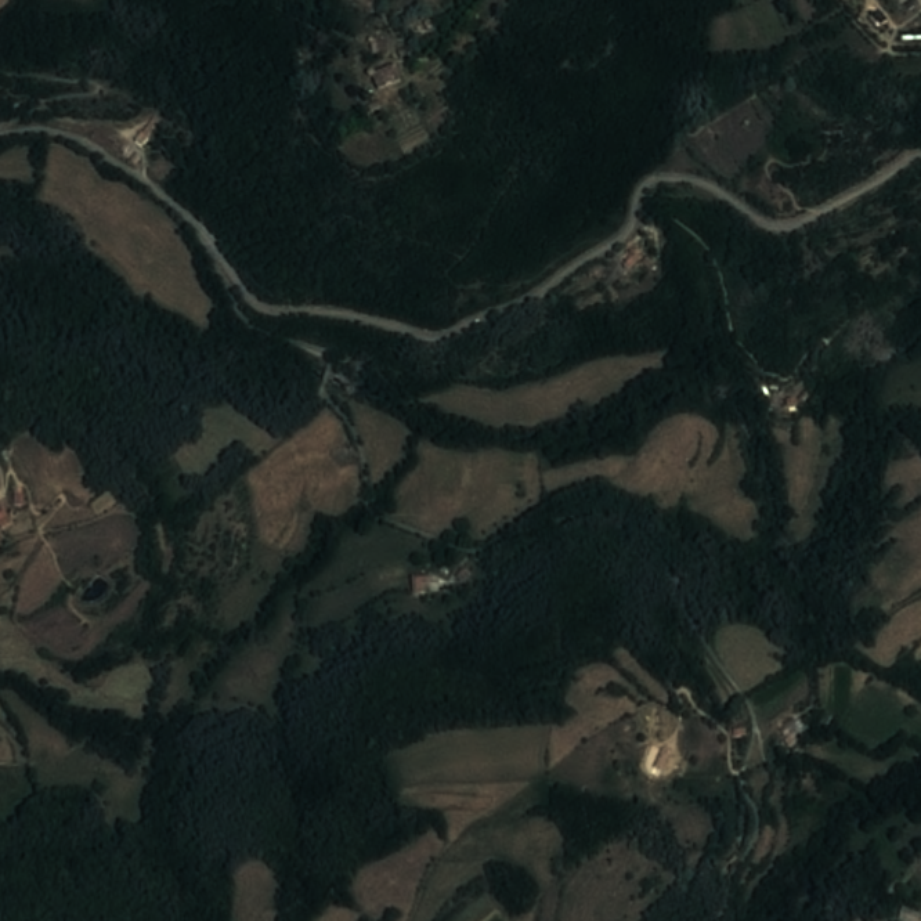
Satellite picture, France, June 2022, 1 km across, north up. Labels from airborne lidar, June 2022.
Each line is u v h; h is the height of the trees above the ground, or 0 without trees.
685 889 14
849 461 25
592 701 0
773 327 9
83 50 8
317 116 13
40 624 0
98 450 19
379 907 0
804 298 14
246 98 16
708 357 18
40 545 0
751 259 7
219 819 17
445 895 0
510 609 15
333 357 16
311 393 6
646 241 20
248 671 0
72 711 19
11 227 22
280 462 0
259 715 10
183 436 21
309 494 0
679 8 9
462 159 6
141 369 26
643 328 7
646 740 9
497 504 0
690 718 9
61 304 11
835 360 7
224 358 15
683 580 20
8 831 23
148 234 0
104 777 0
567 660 7
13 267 7
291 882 13
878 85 10
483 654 12
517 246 10
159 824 26
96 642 0
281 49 13
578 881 0
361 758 11
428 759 0
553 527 16
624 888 0
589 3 12
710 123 15
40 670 0
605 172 17
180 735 12
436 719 10
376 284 10
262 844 13
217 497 8
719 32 0
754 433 6
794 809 12
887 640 0
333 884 16
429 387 13
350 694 20
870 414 20
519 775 0
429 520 0
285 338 9
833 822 11
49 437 27
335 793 14
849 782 6
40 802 16
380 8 17
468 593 6
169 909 18
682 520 11
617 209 10
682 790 10
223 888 14
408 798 0
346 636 13
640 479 0
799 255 10
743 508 0
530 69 15
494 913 0
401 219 10
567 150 11
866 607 0
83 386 23
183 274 0
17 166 0
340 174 7
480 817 0
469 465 0
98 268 10
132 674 0
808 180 11
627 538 15
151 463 17
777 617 17
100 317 18
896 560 0
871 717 0
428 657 13
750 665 0
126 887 17
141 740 18
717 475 0
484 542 9
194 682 14
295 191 10
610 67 10
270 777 21
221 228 11
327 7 27
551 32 12
